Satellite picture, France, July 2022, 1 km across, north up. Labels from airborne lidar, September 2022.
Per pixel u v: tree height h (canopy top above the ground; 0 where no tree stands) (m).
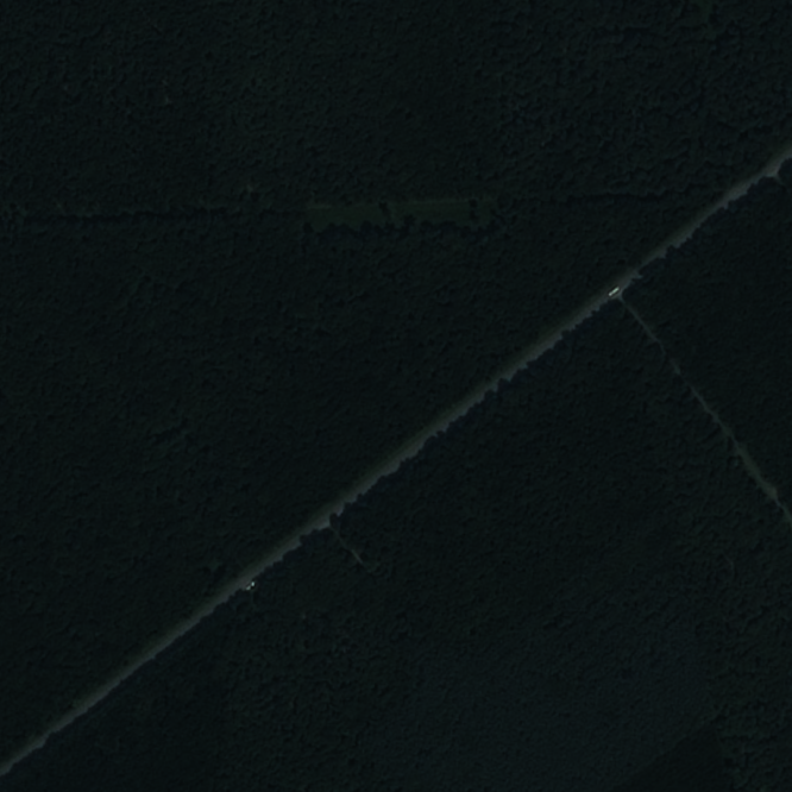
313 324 25
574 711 20
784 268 17
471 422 21
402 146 23
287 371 27
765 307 13
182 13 19
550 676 21
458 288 24
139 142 18
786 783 25
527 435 23
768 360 18
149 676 17
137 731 17
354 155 27
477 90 20
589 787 20
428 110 23
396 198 24
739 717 16
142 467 20
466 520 19
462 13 21
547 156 25
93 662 20
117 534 25
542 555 19
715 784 11
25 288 24
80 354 24
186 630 0
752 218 23
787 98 23
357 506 6
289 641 24
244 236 24
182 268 20
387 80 25
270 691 22
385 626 21
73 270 22
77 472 23
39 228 20
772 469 18
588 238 22
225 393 22
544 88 25
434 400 24
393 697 18
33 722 21
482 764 20
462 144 19
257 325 27
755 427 18
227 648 25
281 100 27
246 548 26
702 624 19
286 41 24
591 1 27
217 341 23
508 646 20
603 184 23
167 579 21
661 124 26
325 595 22
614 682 23
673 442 24
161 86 23
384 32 26
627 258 19
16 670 24
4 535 27
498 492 19
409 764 23
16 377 19
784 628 23
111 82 23
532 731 20
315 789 24
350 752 20
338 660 22
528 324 23
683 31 23
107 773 16
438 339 21
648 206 25
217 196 20
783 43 29
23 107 19
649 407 23
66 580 20
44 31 23
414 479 23
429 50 22
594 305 0
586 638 21
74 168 21
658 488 18
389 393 25
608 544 18
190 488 26
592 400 22
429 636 20
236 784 15
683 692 23
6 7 18
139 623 20
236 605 13
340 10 23
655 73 24
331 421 20
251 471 27
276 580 21
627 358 22
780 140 23
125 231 24
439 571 19
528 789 22
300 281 23
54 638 25
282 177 27
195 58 24
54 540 25
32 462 22
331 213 0
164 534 26
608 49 27
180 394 20
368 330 22
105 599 28
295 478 22
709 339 20
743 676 22
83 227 23
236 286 28
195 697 16
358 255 24
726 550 22
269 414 25
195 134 16
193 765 17
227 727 13
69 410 18
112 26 20
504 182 19
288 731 21
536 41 27
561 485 20
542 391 23
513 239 24
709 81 24
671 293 20
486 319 23
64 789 17
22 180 21
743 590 20
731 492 24
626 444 20
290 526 21
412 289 20
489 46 24
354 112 24
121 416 20
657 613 23
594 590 19
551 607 19
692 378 22
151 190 17
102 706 15
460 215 0
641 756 20
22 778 16
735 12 24
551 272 24
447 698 19
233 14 25
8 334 22
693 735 10
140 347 23
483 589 19
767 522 21
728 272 20
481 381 21
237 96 24
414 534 21
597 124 24
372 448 23
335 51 23
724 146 28
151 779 17
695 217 19
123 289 23
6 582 26
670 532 20
